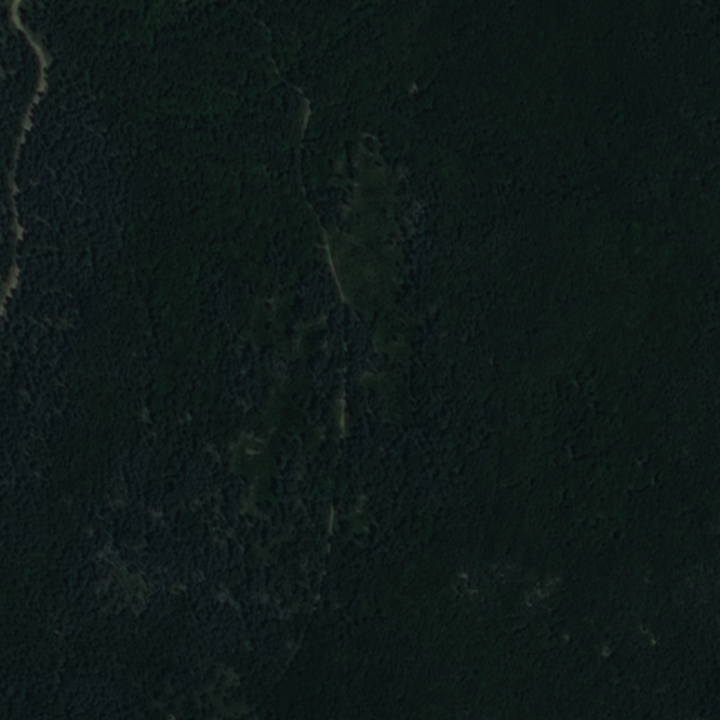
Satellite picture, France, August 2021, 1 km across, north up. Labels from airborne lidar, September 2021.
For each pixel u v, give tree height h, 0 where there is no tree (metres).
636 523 29
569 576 19
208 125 26
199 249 16
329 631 19
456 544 18
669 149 24
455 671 20
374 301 6
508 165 24
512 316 26
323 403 23
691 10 30
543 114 23
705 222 21
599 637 21
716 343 27
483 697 26
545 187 26
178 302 21
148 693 21
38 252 26
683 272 25
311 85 22
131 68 17
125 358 26
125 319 19
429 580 18
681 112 18
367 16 24
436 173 22
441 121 34
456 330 23
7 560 24
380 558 20
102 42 20
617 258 21
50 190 29
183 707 10
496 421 30
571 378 29
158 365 20
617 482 28
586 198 22
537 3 23
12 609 19
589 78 23
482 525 24
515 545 19
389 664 17
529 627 21
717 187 28
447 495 25
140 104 22
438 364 24
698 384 27
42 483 8
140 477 27
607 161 24
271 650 24
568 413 21
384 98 29
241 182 17
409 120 32
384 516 16
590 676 29
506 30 27
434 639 30
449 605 21
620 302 21
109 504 22
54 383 12
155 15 21
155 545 35
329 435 14
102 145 27
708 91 19
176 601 16
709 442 21
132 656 20
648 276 29
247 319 22
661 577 22
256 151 20
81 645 19
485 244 23
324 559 10
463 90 26
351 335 29
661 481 27
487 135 28
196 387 28
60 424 26
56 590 21
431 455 28
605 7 26
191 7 25
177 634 19
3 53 24
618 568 23
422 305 29
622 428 30
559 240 19
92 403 17
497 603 21
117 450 27
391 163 27
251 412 10
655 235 28
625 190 30
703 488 22
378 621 30
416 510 19
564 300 29
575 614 22
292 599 11
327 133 21
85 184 30
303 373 12
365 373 25
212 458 27
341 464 13
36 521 21
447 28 30
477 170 30
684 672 35
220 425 20
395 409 6
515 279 23
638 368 26
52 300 26
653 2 20
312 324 23
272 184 17
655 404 22
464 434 16
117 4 20
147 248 18
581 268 23
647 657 23
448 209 28
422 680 19
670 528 30
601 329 25
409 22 19
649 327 26
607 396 33
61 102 26
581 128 31
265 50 24
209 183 20
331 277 20
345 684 17
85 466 20
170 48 29
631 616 18
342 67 17
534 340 25
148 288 15
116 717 32
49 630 11
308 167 25
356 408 24
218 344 20
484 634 24
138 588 10
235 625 27
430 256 29
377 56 24
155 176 23
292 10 16
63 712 5
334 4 25
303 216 22
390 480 17
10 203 26
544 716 22
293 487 26
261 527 25
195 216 29
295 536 10
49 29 24
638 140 26
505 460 24
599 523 30
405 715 25
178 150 15
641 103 29
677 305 32
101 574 27
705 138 18
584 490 29
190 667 17
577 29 24
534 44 23
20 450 25
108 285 21
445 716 19
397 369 16
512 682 26
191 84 22
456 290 30
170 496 31
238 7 23
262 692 18
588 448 37
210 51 19
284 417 6
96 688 21
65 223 19
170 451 23
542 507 24
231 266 20
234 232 15
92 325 24
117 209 28
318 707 23
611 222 26
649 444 24
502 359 23
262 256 15
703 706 31
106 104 12
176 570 20
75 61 23
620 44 27
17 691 30
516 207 21
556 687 28
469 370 25
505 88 26
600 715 21
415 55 24
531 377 21
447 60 27
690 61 26
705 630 23
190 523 22
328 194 21
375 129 25
